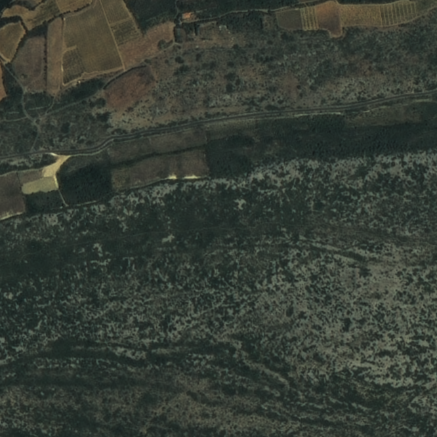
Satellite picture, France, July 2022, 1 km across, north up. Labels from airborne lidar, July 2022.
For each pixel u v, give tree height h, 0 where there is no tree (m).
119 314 0
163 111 0
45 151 0
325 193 0
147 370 0
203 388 0
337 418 0
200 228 0
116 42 0
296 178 0
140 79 0
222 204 0
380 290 0
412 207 0
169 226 0
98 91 0
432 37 0
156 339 0
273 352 0
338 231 0
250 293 0
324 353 0
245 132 0
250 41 0
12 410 0
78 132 0
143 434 0
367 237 0
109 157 0
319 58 0
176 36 9
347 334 0
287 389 0
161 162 0
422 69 0
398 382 0
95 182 7
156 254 0
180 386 0
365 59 0
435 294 0
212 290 0
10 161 0
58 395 0
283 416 0
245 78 0
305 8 0
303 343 0
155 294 0
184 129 0
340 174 0
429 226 0
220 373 0
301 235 0
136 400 0
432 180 0
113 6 0
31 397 0
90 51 0
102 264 0
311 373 0
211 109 0
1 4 6
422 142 7
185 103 0
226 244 0
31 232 0
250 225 0
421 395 0
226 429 0
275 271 0
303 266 0
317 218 0
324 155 9
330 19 0
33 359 0
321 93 0
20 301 6
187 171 0
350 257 0
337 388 0
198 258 0
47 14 0
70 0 0
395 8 0
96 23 0
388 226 0
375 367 0
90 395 0
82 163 0
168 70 0
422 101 0
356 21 0
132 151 0
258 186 0
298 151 0
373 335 0
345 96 0
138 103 0
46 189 0
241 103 0
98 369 0
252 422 0
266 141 6
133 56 0
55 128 0
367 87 0
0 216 0
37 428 0
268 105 0
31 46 0
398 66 0
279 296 0
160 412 0
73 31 0
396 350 0
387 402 0
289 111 0
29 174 0
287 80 0
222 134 0
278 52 0
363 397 0
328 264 0
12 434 0
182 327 0
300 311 0
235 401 0
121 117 0
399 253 0
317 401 0
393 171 0
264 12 6
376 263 0
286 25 0
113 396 0
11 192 0
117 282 0
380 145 10
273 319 0
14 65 0
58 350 0
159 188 0
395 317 0
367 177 0
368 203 0
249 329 0
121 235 0
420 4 0
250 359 0
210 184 0
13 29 0
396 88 0
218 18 7
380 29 0
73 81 0
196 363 0
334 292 0
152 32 0
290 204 0
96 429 0
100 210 0
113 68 0
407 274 0
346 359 0
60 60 0
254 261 0
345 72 0
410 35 0
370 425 0
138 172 0
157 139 0
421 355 0
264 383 0
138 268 0
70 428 0
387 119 0
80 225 0
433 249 0
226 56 0
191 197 0
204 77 0
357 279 0
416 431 0
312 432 0
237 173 7
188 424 0
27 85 0
